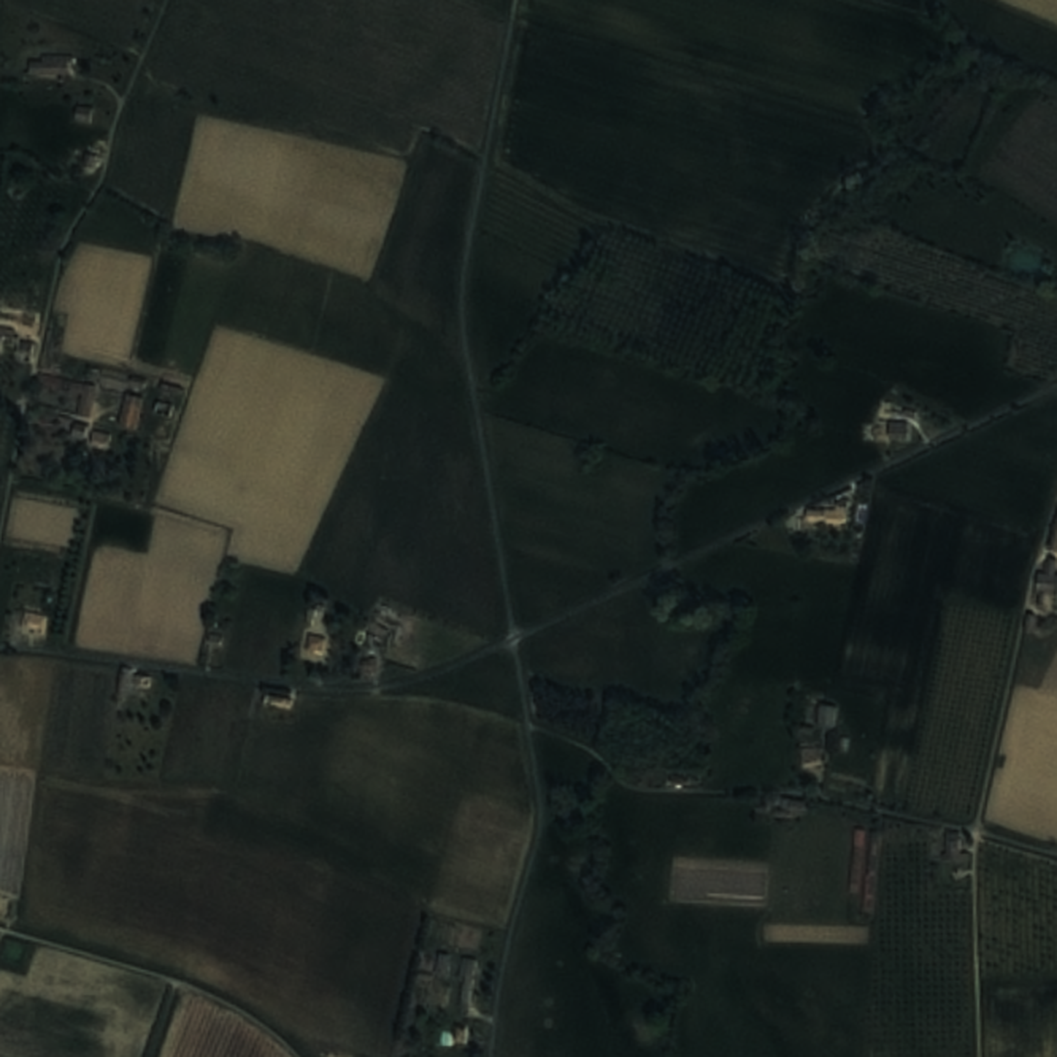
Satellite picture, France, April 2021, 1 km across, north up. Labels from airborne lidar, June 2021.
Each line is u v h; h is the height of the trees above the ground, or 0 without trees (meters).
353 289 0
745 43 0
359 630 11
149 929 0
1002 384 0
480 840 0
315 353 0
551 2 0
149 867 0
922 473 0
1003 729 0
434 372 0
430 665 0
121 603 0
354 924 0
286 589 0
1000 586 0
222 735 0
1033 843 0
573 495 0
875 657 0
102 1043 0
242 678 0
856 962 0
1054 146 0
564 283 14
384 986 0
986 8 0
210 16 0
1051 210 0
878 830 13
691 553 0
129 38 0
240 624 0
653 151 0
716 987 0
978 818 0
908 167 21
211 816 0
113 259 0
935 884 6
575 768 0
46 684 0
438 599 0
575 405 0
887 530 0
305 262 0
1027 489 0
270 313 0
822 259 17
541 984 0
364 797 0
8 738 0
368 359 0
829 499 9
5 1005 0
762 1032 0
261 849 0
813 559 16
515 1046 0
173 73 0
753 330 20
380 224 0
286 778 0
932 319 0
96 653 0
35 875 0
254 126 0
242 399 0
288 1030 0
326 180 0
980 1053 0
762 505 0
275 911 0
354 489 0
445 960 0
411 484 0
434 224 0
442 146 10
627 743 19
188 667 0
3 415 18
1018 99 0
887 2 0
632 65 0
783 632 0
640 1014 0
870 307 0
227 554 0
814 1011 0
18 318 0
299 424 0
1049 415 0
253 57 0
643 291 25
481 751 0
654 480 0
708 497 0
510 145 0
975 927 0
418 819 0
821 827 0
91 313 0
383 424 0
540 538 0
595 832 16
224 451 0
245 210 0
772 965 0
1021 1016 0
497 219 0
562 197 0
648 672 0
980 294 6
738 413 0
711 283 23
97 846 0
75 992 0
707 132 0
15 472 13
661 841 0
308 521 0
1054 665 0
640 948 0
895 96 17
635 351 18
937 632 0
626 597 0
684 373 6
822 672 0
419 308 0
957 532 0
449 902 0
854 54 0
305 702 0
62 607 9
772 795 14
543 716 10
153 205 0
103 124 0
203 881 0
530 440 0
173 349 0
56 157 0
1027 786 0
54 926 0
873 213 19
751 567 0
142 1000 0
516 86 0
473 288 0
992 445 0
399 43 0
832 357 21
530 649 0
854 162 0
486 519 0
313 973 0
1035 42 0
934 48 0
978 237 0
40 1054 0
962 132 0
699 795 0
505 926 0
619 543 0
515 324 0
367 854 0
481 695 0
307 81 0
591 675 0
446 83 0
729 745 0
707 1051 0
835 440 0
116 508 0
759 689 0
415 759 0
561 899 0
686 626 16
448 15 0
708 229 0
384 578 0
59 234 16
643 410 0
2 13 0
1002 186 0
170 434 0
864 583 0
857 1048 0
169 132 0
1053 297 14
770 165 0
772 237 0
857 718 0
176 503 0
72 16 0
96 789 0
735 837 0
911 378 0
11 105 0
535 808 0
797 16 0
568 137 0
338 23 0
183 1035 0
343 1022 0
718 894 0
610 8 0
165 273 0
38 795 0
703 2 0
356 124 0
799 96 0
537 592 0
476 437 0
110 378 0
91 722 0
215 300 0
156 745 0
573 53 0
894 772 0
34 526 0
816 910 0
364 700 0
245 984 0
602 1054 0
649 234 0
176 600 0
